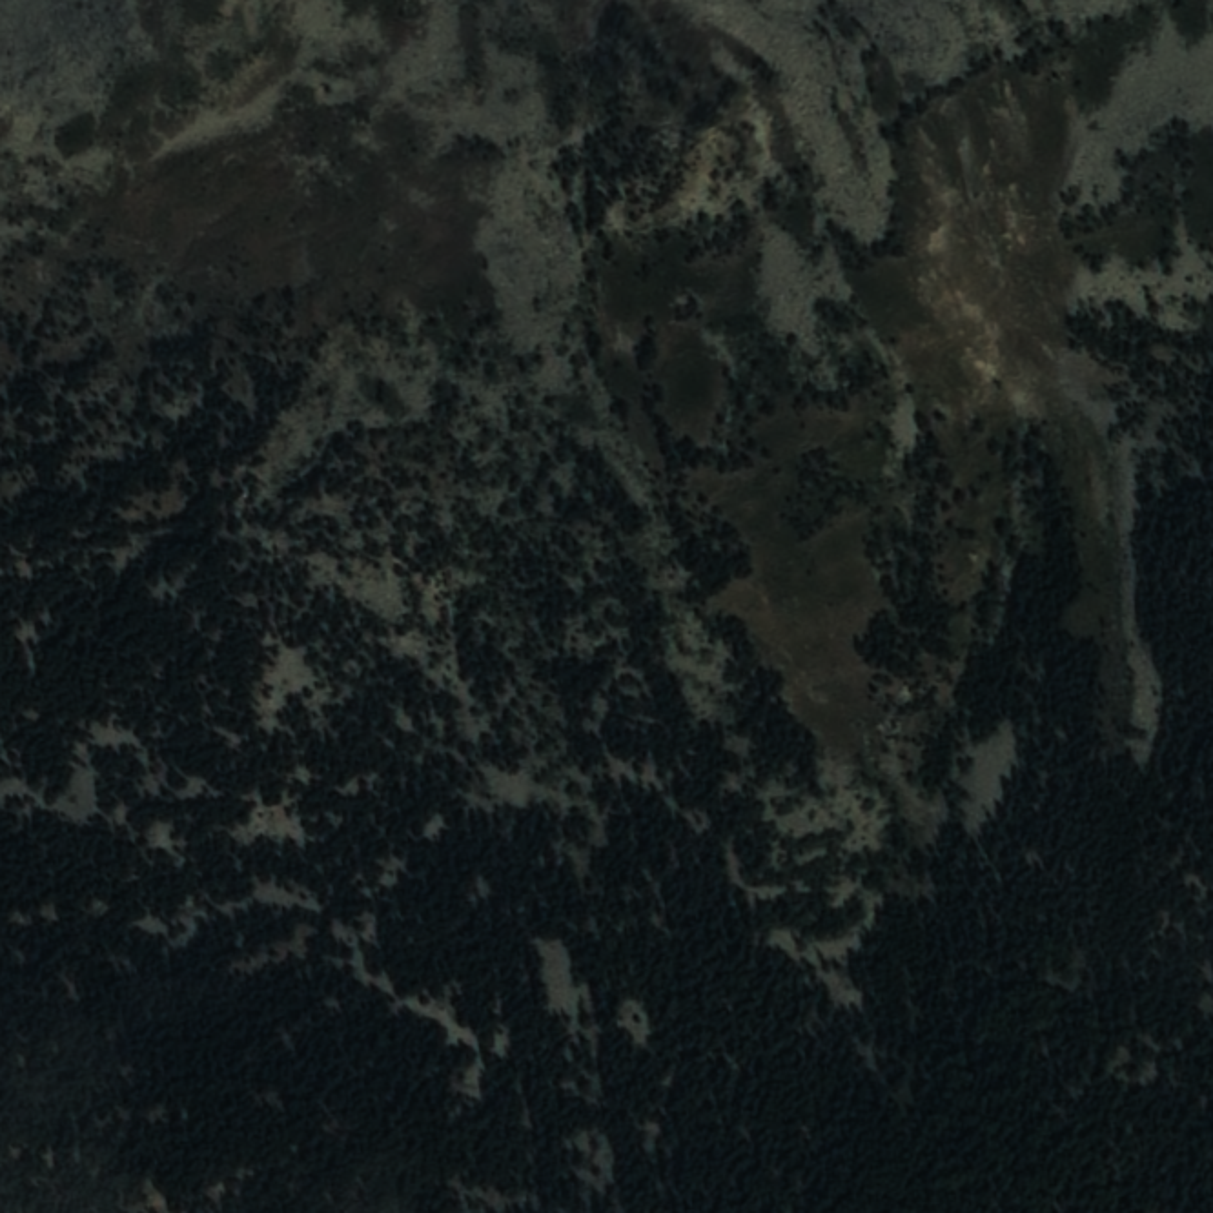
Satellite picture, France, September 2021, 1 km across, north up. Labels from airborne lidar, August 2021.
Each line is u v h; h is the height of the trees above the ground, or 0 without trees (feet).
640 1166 58
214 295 0
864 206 0
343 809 71
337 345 0
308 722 33
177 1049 65
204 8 0
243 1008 76
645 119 0
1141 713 0
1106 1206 73
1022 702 33
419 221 0
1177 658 52
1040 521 27
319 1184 76
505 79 0
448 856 54
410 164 0
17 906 39
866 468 0
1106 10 0
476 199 0
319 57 0
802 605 0
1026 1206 80
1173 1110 37
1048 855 61
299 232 0
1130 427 31
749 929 71
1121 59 0
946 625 31
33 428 30
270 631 31
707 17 0
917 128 0
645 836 78
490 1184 40
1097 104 0
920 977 47
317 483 33
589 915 33
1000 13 0
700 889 48
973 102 0
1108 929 31
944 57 0
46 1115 84
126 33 0
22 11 0
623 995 34
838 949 0
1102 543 0
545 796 0
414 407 0
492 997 38
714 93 0
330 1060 71
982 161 0
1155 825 30
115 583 50
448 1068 66
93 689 40
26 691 50
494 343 0
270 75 0
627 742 55
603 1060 46
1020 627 44
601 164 26
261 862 48
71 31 0
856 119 0
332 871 28
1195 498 54
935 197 0
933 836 0
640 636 45
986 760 0
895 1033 50
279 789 52
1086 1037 56
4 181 0
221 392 28
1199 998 51
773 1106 38
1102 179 0
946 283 0
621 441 0
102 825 40
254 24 0
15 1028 51
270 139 0
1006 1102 76
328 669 46
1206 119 0
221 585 32
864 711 0
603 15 0
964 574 0
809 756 42
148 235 0
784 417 0
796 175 29
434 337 0
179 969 68
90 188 0
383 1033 61
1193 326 0
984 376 0
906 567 31
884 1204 54
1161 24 0
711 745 57
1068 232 21
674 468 26
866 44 0
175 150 0
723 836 40
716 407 0
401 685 44
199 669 36
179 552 36
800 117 0
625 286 0
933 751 26
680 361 0
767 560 0
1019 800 52
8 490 0
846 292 0
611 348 0
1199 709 27
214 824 29
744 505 0
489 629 39
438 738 24
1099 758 23
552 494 38
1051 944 69
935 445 47
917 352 0
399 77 0
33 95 0
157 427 36
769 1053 71
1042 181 0
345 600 26
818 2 0
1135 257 0
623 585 39
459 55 0
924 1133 60
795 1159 41
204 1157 71
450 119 0
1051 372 0
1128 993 49
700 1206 66
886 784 21
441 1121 51
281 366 26
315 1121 72
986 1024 72
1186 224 0
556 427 20
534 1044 50
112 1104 41
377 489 42
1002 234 0
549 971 0
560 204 0
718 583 33
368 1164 78
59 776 47
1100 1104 55
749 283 0
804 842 27
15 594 31
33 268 0
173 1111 59
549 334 0
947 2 0
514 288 0
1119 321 31
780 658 0
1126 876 36
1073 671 66
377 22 0
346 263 0
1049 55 34
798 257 0
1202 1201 73
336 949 74
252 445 26
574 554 22
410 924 34
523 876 66
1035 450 43
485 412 0
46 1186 26
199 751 39
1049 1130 69
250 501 29
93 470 28
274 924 55
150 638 45
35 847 25
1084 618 0
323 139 0
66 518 36
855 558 0
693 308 24
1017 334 0
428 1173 46
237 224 0
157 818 40
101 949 36
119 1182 66
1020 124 0
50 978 39
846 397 19
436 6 0
